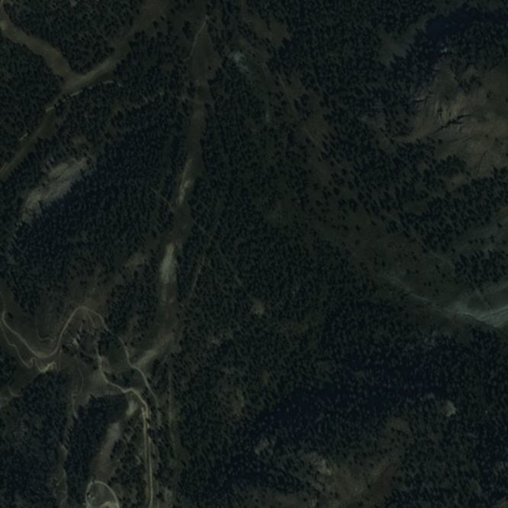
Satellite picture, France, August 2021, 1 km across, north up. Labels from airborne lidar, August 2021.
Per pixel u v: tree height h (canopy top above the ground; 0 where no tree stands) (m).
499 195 0
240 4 0
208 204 17
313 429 9
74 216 13
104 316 0
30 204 0
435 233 15
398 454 0
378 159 22
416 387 10
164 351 0
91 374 0
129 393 0
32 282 9
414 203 23
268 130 11
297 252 12
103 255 12
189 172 0
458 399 18
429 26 0
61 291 10
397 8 20
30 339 0
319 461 0
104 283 6
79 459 7
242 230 11
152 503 0
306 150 14
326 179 0
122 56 0
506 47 0
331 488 0
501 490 9
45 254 11
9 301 0
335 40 16
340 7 14
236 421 14
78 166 0
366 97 15
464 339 0
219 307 13
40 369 0
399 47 0
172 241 0
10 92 21
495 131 0
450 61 0
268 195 9
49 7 16
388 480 0
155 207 9
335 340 17
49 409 6
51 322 0
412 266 0
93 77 0
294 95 0
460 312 0
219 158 21
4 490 11
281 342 16
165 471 18
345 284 11
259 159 9
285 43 0
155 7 0
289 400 13
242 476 18
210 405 13
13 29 0
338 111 20
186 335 9
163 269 0
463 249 0
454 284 0
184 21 0
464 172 13
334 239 0
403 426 0
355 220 0
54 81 16
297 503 0
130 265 0
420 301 0
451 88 0
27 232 10
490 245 0
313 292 17
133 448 17
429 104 0
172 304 0
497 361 16
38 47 0
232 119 12
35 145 0
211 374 16
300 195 9
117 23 19
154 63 0
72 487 8
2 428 20
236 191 22
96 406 14
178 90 19
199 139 0
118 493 0
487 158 0
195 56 0
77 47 12
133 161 17
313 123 0
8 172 0
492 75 0
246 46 0
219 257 16
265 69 0
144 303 11
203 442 18
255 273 19
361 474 0
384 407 16
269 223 6
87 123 20
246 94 18
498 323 0
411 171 17
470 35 6
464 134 0
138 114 22
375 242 0
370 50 14
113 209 15
